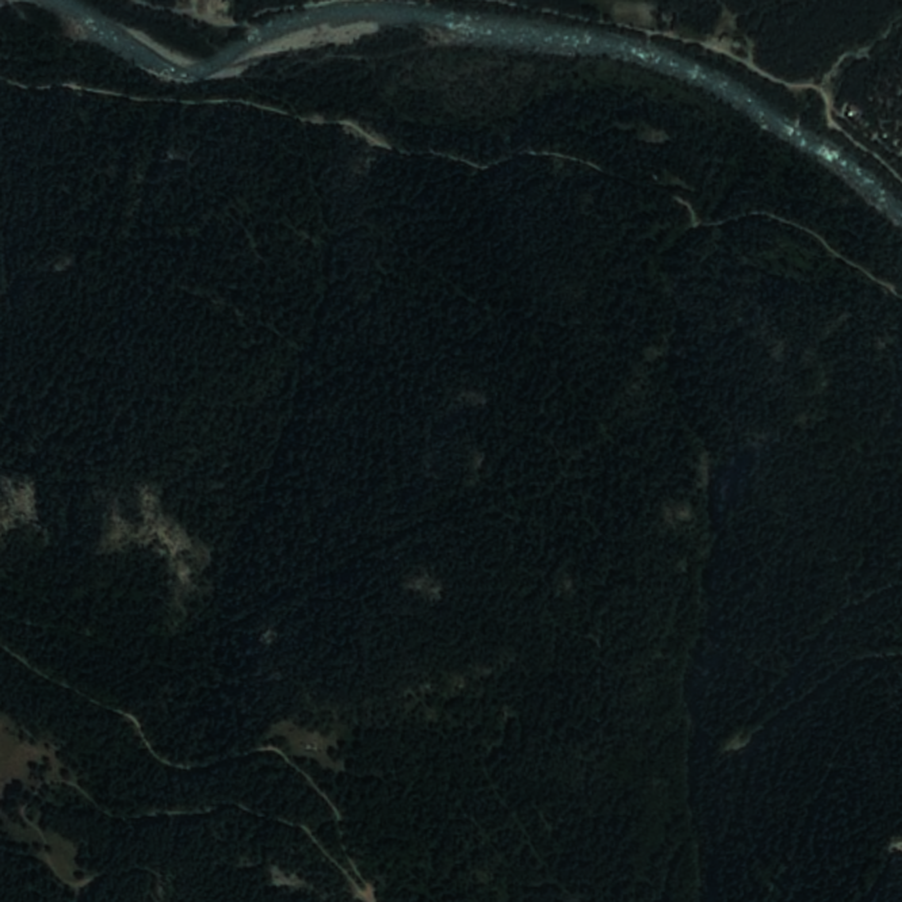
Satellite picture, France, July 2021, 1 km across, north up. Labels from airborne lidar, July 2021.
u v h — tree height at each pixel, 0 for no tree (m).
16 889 18
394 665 11
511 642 14
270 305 15
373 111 14
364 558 15
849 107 7
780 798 25
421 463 19
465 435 23
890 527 20
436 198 19
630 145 14
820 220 24
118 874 19
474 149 22
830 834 32
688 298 12
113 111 8
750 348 9
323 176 17
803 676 23
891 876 10
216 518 18
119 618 19
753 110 0
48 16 10
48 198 22
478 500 19
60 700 10
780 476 14
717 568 16
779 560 20
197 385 24
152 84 14
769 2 11
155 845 20
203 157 15
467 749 17
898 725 19
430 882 10
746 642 21
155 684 12
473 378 22
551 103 13
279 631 13
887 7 10
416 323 20
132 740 9
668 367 8
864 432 19
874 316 29
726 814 28
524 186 9
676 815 13
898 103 9
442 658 17
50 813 21
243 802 21
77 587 16
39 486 15
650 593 14
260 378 8
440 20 0
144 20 11
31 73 20
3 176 23
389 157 10
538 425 26
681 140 13
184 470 19
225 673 12
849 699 22
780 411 10
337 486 23
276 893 19
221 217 21
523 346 17
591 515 16
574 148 9
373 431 23
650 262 11
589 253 13
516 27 0
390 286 8
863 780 15
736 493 8
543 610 23
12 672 18
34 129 25
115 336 27
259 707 22
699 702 20
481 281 14
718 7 9
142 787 21
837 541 19
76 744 13
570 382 20
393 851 16
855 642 21
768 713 14
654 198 16
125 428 29
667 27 10
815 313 15
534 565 17
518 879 14
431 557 21
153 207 16
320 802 20
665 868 27
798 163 15
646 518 7
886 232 7
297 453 28
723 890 21
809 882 23
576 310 14
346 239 11
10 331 20
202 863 17
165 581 11
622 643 22
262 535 16
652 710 14
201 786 19
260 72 9
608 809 20
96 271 25
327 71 9
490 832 13
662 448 13
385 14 0
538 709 19
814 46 8
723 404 14
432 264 23
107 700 15
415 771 17
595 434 15
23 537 8
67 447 28
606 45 0
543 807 14
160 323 19
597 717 18
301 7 9
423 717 8
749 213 8
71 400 26
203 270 23
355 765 16
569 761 26
